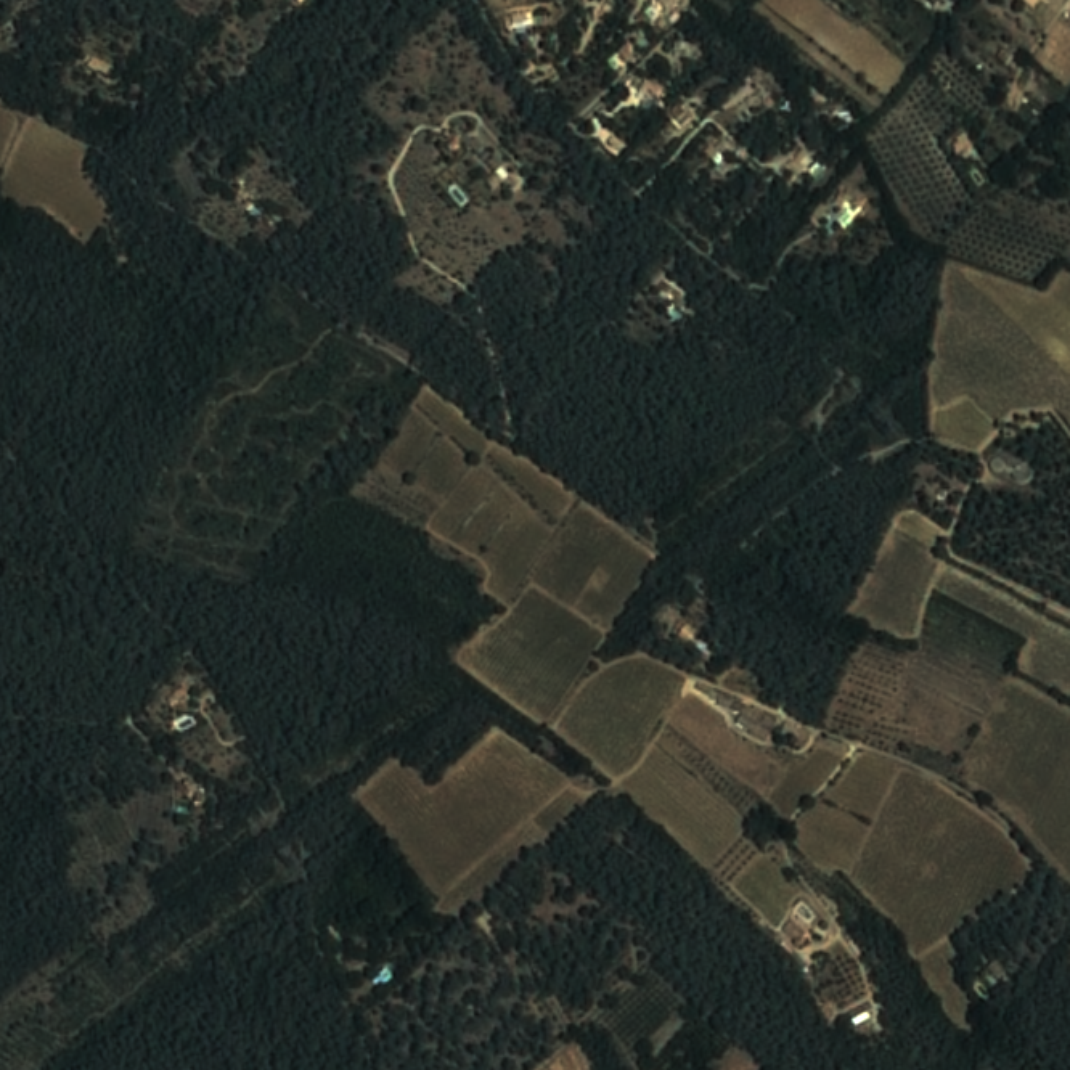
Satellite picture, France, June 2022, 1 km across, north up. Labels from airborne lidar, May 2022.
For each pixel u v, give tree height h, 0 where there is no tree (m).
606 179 22
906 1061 7
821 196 15
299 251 19
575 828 19
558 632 0
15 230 10
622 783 0
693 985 15
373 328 13
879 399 19
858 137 14
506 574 0
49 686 12
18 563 8
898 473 17
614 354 16
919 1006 7
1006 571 7
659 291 7
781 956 19
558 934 17
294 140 14
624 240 20
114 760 20
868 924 10
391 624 19
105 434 16
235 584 10
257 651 21
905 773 0
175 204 18
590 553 0
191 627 18
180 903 7
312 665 15
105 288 12
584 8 9
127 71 7
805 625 15
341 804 18
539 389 21
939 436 15
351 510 7
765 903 0
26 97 16
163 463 21
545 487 0
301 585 10
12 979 12
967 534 17
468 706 11
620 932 18
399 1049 18
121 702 19
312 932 18
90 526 17
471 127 10
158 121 13
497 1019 21
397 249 22
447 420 0
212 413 0
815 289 19
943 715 0
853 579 20
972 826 0
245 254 16
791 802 0
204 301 19
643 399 21
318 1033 19
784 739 11
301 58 19
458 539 0
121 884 18
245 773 8
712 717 0
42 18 12
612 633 6
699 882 17
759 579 20
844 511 20
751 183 18
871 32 0
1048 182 14
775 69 9
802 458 14
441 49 6
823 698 20
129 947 11
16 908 17
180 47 20
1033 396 0
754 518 41
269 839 15
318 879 18
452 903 0
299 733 19
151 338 18
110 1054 15
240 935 16
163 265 16
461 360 19
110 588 21
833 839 0
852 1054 6
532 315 20
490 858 0
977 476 15
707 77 19
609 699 0
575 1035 15
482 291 17
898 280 19
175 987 8
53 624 18
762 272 11
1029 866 0
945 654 0
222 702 10
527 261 17
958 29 18
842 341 21
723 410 13
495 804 0
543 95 17
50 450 15
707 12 10
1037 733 0
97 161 11
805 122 18
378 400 18
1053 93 0
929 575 0
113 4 20
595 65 6
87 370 18
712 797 0
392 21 20
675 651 24
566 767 8
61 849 7
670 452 20
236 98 16
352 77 16
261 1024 20
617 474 21
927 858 0
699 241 8
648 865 19
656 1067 7
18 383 15
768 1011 16
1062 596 18
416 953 9
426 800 0
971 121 7
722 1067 0
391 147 20
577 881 19
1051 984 17
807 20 0
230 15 9
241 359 7
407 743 10
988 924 18
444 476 0
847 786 0
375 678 8
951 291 0
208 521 15
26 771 17
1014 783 0
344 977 11
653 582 32
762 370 17
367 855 16
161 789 19
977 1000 11
